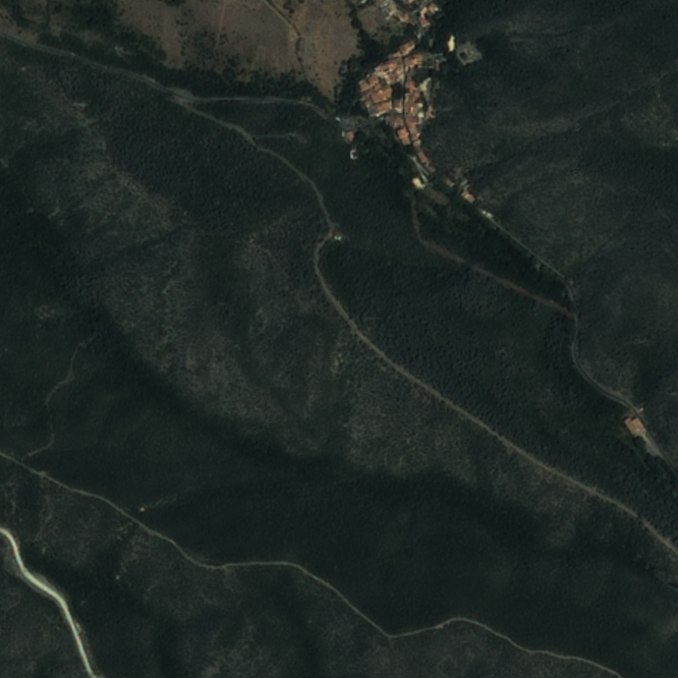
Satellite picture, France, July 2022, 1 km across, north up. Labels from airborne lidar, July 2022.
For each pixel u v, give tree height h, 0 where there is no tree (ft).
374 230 20
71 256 18
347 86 36
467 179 20
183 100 0
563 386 28
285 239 19
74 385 24
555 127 0
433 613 20
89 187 23
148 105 20
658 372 26
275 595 18
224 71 26
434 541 19
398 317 42
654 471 55
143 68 22
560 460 32
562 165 0
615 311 0
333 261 20
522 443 24
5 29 0
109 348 41
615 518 21
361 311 38
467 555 21
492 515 42
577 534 26
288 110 19
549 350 40
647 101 19
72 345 22
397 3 24
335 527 21
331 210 21
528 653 0
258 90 27
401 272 44
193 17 0
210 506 20
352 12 29
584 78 21
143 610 23
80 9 18
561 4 17
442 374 52
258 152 31
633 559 33
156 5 0
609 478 17
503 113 0
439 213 39
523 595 20
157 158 22
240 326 45
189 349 0
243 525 19
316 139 19
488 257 46
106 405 20
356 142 38
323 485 27
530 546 29
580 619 19
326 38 0
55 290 32
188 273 0
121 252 19
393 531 18
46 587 0
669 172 20
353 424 21
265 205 20
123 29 19
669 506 46
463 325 18
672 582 0
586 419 19
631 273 0
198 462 17
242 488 21
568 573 18
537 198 0
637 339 25
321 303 27
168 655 32
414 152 63
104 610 23
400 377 33
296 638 20
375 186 26
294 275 27
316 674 24
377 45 47
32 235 22
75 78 24
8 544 0
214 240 19
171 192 25
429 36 19
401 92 45
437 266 23
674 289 0
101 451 18
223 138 18
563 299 46
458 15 42
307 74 0
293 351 23
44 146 19
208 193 23
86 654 0
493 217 27
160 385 23
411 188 22
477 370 48
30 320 25
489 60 23
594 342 0
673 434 28
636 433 0
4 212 31
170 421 18
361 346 27
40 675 22
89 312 33
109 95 34
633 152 18
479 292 49
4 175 29
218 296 20
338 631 0
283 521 20
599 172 21
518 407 39
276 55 0
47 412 20
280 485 24
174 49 0
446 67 52
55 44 21
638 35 21
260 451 30
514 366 33
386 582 25
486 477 21
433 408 26
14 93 20
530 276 39
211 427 23
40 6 23
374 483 22
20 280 21
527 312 23
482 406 37
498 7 18
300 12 0
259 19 0
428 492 36
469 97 21
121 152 24
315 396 0
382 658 0
